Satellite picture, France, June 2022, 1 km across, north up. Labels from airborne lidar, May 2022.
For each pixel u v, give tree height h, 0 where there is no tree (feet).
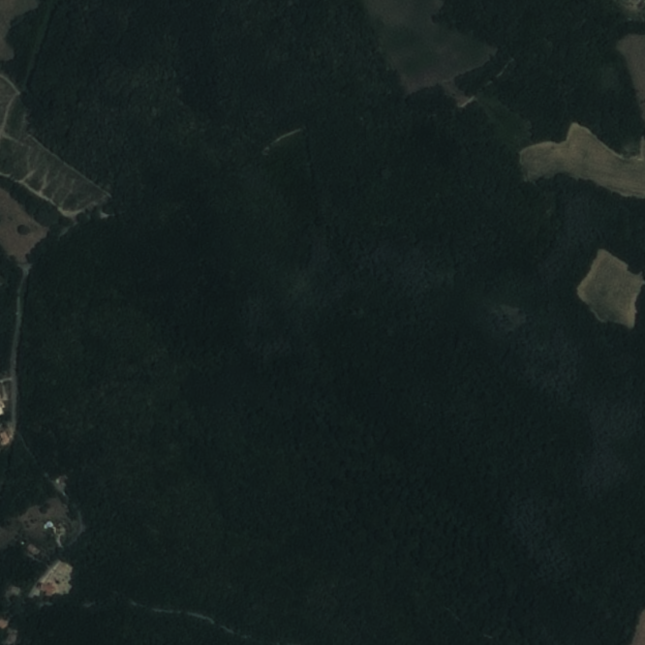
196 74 80
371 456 39
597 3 47
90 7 47
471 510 63
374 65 59
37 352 56
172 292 43
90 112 51
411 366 31
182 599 37
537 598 84
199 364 37
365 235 56
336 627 47
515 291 41
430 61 0
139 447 48
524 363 49
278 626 31
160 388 56
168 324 59
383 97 52
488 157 64
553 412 23
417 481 54
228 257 44
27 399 46
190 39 78
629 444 54
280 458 47
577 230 60
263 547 40
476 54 0
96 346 33
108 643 52
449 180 32
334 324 40
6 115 0
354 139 43
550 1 51
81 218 48
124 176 46
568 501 62
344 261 36
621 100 62
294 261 49
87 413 59
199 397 52
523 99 43
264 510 37
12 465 38
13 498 42
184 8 54
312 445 51
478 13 19
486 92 24
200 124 68
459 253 47
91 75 51
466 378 20
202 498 53
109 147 63
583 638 69
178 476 56
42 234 0
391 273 72
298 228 58
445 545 78
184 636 49
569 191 63
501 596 35
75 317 52
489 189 39
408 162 33
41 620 47
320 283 59
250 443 37
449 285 61
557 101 49
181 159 50
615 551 31
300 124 48
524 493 26
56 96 77
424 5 0
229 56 59
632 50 0
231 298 33
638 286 0
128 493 51
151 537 47
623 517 28
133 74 52
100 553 34
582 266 47
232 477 49
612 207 27
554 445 51
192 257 56
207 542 59
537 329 39
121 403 55
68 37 73
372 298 23
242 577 40
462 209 28
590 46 62
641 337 73
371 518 41
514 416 29
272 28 37
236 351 43
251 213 42
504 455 24
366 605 51
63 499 31
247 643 45
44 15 48
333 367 29
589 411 51
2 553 50
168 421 42
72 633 50
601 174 0
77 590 52
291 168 38
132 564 47
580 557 47
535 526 69
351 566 52
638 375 56
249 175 50
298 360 44
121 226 49
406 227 25
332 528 34
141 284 49
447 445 35
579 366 53
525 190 72
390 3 0
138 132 55
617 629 32
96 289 38
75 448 56
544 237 44
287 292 27
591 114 21
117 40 46
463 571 51
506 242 31
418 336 31
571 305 64
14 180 57
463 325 34
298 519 29
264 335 56
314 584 43
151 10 66
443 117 37
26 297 46
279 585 41
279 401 49
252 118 59
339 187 66
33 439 62
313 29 64
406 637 42
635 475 40
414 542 41
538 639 75
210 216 56
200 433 45
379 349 39
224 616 43
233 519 29
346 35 62
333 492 36
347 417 49
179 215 43
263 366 75
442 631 45
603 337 59
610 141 48
